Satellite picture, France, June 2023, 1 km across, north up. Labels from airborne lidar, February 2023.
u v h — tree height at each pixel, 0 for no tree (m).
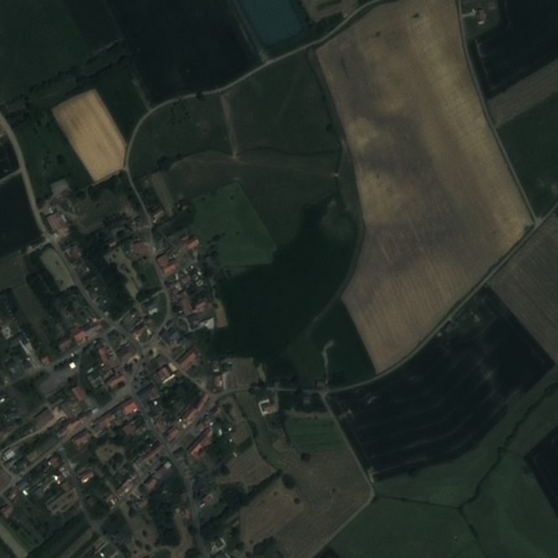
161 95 0
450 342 0
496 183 0
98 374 0
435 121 0
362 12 0
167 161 16
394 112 0
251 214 0
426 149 0
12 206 0
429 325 0
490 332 0
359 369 0
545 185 0
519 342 0
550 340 0
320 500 0
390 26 0
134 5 0
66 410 0
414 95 0
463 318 0
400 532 0
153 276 0
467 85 0
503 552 0
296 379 12
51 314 7
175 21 0
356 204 0
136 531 0
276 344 0
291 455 0
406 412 0
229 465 0
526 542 0
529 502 0
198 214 0
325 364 0
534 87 0
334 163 0
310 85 0
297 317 0
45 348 0
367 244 0
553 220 0
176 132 0
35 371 0
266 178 0
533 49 0
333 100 0
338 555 0
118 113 0
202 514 0
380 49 0
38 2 0
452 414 0
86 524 0
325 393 0
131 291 0
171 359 0
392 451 0
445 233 0
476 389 0
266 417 0
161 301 0
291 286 0
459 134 0
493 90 0
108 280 10
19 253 0
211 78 0
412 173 0
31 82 0
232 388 0
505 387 0
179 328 0
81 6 0
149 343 0
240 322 0
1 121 0
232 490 6
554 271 0
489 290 0
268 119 0
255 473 0
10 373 0
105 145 0
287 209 0
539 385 0
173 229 0
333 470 0
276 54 0
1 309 0
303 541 0
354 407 0
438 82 0
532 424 0
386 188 0
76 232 0
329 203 0
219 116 0
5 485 0
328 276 0
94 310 0
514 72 0
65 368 0
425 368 0
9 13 0
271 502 0
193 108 0
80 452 0
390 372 0
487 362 0
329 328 0
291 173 0
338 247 0
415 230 0
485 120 0
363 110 0
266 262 0
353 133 0
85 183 0
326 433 0
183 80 0
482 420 0
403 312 0
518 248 0
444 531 0
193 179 0
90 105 0
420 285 0
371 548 0
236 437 0
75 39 0
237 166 0
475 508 0
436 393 0
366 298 0
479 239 0
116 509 0
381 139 0
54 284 14
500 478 0
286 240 0
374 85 0
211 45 0
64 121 0
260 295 0
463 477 0
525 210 0
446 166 0
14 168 0
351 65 0
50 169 0
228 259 0
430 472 0
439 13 0
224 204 0
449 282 0
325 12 0
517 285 0
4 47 0
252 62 0
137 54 0
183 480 0
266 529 0
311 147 0
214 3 0
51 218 0
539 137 0
